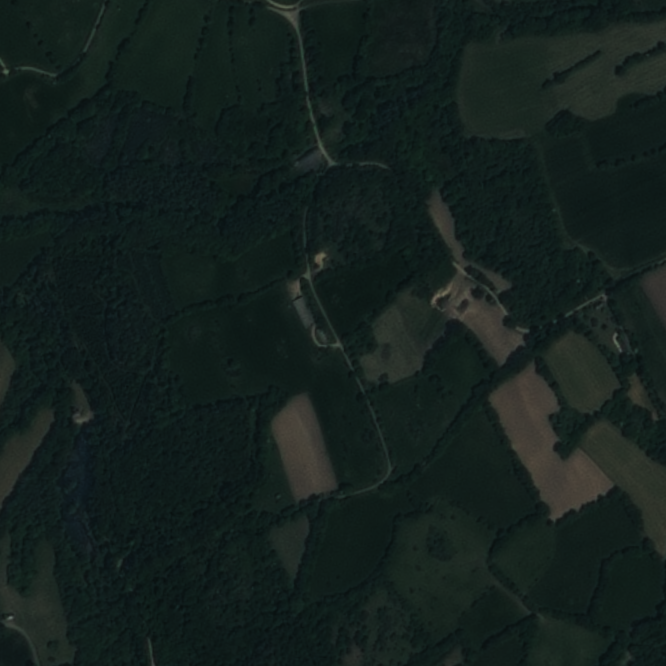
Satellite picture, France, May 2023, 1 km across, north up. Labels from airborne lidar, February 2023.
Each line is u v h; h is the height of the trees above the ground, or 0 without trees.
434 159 0
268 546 11
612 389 0
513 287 11
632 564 0
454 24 14
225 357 0
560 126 13
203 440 18
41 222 17
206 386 0
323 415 0
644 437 6
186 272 0
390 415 0
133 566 19
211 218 15
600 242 0
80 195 14
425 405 0
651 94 0
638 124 0
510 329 13
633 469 0
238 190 0
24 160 16
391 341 0
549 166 0
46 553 0
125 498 21
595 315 0
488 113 0
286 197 7
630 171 0
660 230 0
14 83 0
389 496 0
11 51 0
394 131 18
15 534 18
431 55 7
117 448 23
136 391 7
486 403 11
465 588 0
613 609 0
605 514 0
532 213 8
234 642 14
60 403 21
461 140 14
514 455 10
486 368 12
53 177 13
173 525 29
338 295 0
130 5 0
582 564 0
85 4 0
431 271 16
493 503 0
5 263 0
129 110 12
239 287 0
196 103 0
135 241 24
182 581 14
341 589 0
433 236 21
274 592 7
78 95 0
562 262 10
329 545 0
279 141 11
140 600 15
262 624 17
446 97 17
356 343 7
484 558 0
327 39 0
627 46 0
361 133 12
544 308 15
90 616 8
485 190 9
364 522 0
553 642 0
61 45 0
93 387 25
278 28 0
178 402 17
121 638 7
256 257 0
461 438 0
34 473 19
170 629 6
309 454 0
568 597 0
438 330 0
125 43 12
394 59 0
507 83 0
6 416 11
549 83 9
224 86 0
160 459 17
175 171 13
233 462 19
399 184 18
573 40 0
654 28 0
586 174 0
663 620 17
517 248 9
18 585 9
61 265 7
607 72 0
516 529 9
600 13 18
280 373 0
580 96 0
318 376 0
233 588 7
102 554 6
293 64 9
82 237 24
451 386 0
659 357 0
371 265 8
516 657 0
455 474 0
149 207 31
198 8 0
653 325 0
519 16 18
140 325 20
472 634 0
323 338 0
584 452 0
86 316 8
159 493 22
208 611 10
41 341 19
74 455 0
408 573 0
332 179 15
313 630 12
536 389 0
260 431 17
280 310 0
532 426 0
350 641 8
